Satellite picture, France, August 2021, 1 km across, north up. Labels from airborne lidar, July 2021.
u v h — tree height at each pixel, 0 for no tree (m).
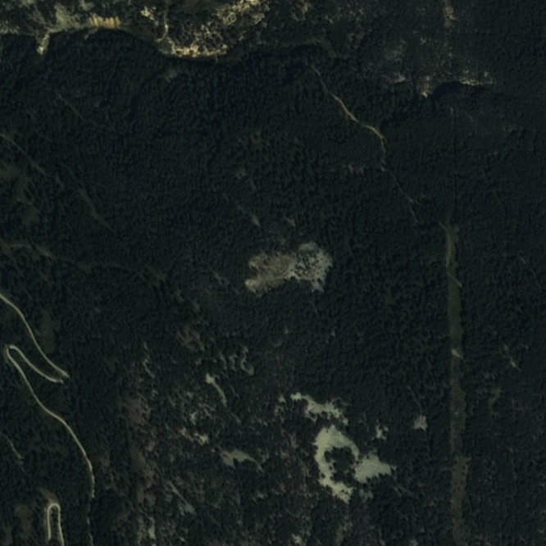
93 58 13
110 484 9
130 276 23
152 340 17
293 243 10
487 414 17
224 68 20
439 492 11
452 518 12
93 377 21
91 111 21
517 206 14
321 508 19
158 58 20
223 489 11
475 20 10
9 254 0
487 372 15
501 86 10
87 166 22
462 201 16
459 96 8
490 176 16
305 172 8
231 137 21
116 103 17
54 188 12
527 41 12
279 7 19
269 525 16
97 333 15
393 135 16
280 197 21
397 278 25
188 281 12
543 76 14
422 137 19
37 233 21
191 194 10
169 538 9
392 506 18
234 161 18
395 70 12
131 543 11
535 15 20
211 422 10
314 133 19
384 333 12
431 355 7
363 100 22
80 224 26
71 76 15
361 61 13
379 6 6
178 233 11
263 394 13
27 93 21
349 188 23
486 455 13
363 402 13
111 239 29
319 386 18
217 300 7
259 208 14
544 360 18
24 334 8
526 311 26
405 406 14
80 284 22
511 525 18
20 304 7
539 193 13
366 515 10
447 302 17
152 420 15
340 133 18
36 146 21
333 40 18
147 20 15
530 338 18
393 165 29
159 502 14
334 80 21
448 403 15
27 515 0
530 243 16
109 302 25
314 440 12
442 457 16
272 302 18
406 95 10
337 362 14
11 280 26
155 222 15
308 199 23
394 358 15
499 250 17
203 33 10
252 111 26
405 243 24
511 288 18
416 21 12
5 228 7
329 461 13
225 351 21
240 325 13
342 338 15
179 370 17
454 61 10
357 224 21
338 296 22
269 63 27
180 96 15
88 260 28
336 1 8
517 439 16
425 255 17
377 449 6
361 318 19
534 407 20
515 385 15
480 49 14
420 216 28
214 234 14
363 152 17
